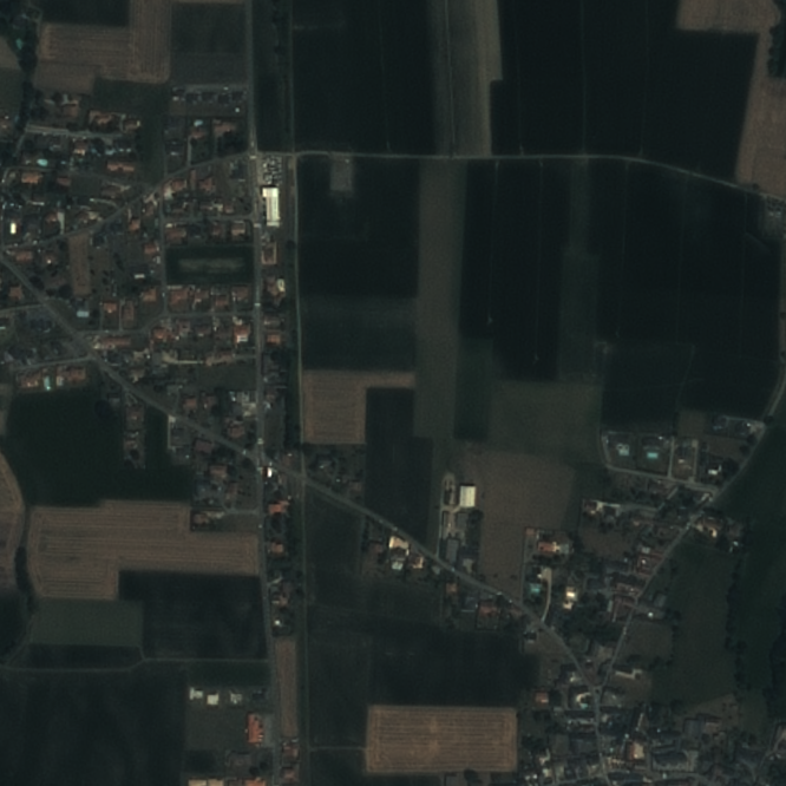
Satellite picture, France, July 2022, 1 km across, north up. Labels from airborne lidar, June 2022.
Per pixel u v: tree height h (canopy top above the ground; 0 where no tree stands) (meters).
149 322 0
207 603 0
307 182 0
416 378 0
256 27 0
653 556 0
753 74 0
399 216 0
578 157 0
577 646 0
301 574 10
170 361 0
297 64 0
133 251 0
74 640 0
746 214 0
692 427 0
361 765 0
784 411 0
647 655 0
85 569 0
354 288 0
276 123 0
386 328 0
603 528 7
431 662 0
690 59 0
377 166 0
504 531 0
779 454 0
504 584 0
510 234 0
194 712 0
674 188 0
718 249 0
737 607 13
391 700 0
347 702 0
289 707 0
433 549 0
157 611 0
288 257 0
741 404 0
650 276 0
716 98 0
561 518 0
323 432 0
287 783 0
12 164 9
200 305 0
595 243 0
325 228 0
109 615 0
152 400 0
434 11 0
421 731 0
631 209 0
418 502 0
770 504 0
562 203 0
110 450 0
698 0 0
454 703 0
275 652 0
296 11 0
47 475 0
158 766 0
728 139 0
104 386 6
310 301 0
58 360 0
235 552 0
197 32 0
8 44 0
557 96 0
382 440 0
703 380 0
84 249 0
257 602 0
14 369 0
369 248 0
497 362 0
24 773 0
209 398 0
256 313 0
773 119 0
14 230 0
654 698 0
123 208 0
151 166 0
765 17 0
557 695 12
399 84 0
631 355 0
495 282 0
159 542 0
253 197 0
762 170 0
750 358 0
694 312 0
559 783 0
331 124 0
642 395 0
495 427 0
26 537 0
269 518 6
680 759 0
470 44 0
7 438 0
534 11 0
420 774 0
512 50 0
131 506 0
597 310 0
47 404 0
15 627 0
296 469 0
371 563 0
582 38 0
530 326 0
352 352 0
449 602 6
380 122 0
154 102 0
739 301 0
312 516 0
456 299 0
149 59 0
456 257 0
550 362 0
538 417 0
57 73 0
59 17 0
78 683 0
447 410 0
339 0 0
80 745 0
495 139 0
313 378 0
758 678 0
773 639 0
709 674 0
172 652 0
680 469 0
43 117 13
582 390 0
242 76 0
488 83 0
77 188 0
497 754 0
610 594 0
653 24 0
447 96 0
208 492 0
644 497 10
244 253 0
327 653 0
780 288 0
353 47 0
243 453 0
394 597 0
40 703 0
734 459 0
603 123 0
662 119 0
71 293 7
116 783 0
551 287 0
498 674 0
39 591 0
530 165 0
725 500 0
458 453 0
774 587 0
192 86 0
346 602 0
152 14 0
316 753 0
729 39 0
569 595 0
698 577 0
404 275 0
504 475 0
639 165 0
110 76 0
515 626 6
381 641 0
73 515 0
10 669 0
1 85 0
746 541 14
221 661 0
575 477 0
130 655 0
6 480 0
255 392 0
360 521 0
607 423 0
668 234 0
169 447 0
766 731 0
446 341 0
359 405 0
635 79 0
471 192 0
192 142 8
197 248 0
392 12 0
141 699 0
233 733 0
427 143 0
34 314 0
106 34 0
